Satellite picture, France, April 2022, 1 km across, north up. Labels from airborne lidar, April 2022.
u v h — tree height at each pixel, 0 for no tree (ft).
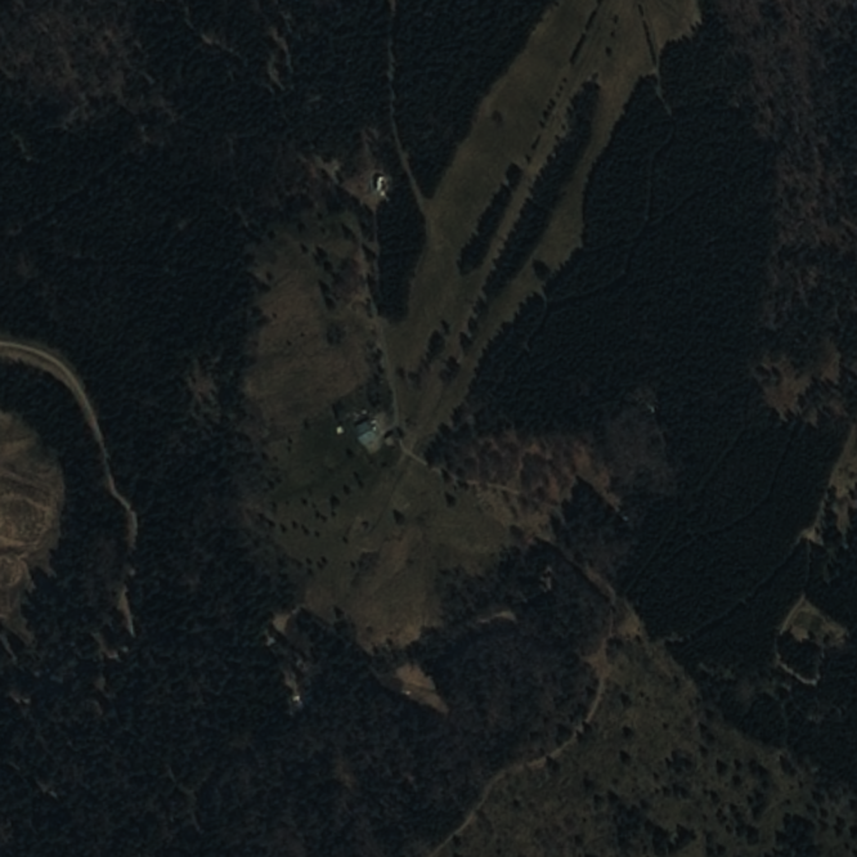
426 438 0
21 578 0
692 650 46
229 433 25
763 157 52
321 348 0
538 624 45
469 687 63
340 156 23
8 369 52
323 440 0
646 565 36
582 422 85
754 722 40
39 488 0
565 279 58
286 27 61
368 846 70
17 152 50
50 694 46
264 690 60
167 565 69
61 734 94
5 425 0
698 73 41
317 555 0
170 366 62
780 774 0
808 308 37
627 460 70
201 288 50
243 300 84
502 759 69
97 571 52
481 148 0
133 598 26
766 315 65
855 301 88
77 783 92
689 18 0
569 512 50
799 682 47
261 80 50
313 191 31
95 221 74
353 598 0
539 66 0
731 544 54
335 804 77
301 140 47
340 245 0
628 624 0
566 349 61
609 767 0
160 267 63
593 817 20
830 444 54
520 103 0
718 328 75
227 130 69
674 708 22
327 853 56
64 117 129
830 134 50
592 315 48
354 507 0
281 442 0
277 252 0
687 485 64
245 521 53
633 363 67
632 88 0
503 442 51
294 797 86
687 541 43
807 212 64
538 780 25
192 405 56
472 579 35
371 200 0
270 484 21
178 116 47
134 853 103
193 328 52
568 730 68
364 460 0
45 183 54
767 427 55
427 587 0
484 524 0
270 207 52
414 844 55
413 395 0
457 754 88
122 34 81
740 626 56
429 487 0
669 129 56
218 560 51
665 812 0
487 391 60
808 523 49
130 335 73
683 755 31
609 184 69
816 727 57
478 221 0
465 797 69
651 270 63
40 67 30
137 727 75
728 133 64
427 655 50
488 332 0
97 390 71
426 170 63
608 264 75
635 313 45
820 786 61
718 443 88
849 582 50
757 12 43
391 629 0
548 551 57
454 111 49
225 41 38
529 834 0
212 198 58
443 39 67
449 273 0
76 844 112
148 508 63
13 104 47
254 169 48
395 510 0
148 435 71
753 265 80
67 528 62
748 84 31
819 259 80
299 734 88
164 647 54
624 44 0
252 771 97
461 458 42
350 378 0
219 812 101
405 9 58
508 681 83
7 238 66
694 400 53
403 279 64
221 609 56
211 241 33
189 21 23
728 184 48
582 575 66
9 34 84
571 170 63
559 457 56
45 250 69
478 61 71
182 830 48
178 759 29
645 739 0
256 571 69
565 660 61
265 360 0
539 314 57
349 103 75
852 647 48
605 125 0
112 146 43
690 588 49
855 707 59
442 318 0
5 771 50
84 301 60
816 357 91
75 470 47
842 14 77
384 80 79
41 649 75
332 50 59
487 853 0
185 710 60
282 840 78
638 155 65
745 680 22
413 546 0
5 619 0
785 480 59
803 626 0
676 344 72
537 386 50
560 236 0
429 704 0
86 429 58
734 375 75
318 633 46
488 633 51
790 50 52
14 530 0
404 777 82
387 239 55
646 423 65
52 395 60
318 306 0
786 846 37
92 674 61
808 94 57
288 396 0
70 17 81
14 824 110
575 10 0
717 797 52
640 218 65
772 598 50
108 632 41
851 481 0
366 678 93
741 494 55
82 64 91
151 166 57
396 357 0
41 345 21
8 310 69
